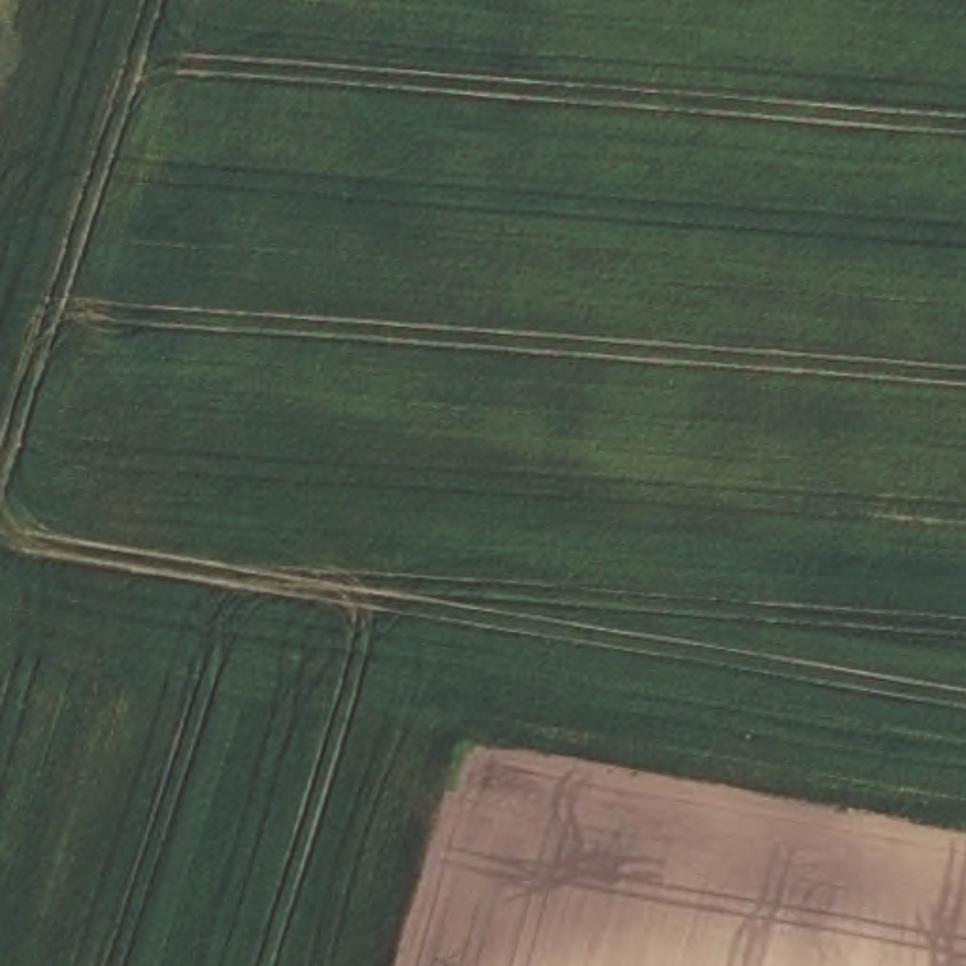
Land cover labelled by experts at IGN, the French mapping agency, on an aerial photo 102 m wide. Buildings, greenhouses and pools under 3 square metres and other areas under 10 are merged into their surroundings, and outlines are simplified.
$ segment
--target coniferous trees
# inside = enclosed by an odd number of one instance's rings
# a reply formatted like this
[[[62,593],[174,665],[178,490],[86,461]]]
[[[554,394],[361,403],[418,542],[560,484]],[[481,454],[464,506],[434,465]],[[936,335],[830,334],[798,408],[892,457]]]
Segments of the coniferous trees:
[[[23,60],[15,57],[15,0],[0,0],[0,83],[23,72]]]

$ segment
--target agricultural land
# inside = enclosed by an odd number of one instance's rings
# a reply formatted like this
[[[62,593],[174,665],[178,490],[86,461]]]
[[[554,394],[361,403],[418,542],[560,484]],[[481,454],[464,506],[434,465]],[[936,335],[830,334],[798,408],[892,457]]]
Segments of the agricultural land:
[[[15,0],[15,57],[23,60],[23,72],[0,83],[0,966],[966,966],[966,0]]]

